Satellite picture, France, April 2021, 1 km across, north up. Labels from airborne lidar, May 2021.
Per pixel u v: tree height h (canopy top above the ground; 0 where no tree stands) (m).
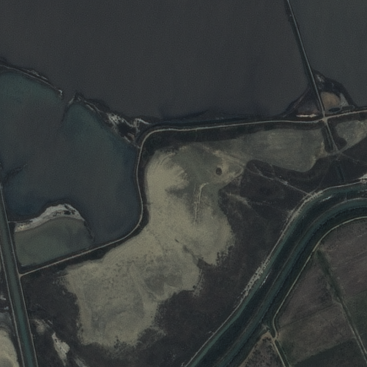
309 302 0
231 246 0
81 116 0
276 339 0
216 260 0
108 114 0
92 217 0
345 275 0
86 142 0
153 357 0
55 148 0
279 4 0
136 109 0
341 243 0
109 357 0
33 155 0
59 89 0
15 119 0
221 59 0
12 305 0
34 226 0
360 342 0
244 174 0
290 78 0
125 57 0
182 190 0
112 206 0
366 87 0
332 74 0
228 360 0
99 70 0
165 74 0
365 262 0
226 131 0
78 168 0
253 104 0
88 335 0
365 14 0
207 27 0
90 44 0
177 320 0
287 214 0
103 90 0
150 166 0
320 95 0
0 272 0
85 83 0
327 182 0
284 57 0
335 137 0
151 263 0
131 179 0
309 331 0
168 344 0
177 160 0
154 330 0
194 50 0
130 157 0
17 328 0
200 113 0
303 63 0
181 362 0
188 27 0
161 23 0
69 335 0
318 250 0
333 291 0
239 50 0
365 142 0
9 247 0
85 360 0
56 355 0
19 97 0
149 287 0
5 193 0
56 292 0
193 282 0
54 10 0
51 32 0
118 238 0
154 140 0
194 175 0
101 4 0
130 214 0
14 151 0
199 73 0
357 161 0
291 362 0
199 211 0
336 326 0
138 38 0
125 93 0
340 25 0
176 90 0
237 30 0
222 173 0
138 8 0
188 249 0
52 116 0
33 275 0
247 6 0
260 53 0
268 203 0
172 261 0
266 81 0
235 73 0
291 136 0
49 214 0
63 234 0
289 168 0
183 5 0
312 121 0
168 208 0
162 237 0
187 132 0
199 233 0
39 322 0
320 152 0
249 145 0
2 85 0
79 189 0
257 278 0
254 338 6
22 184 0
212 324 0
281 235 0
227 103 0
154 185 0
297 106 0
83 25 0
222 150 0
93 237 0
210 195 0
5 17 0
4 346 0
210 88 0
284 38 0
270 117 0
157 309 0
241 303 0
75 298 0
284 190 0
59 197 0
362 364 0
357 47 0
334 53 0
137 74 0
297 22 0
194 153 0
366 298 0
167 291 0
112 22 0
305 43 0
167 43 0
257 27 0
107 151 0
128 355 0
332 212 0
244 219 0
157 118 0
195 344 0
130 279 0
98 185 0
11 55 0
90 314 0
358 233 0
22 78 0
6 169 0
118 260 0
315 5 0
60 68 0
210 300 0
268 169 0
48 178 0
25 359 0
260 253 0
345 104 0
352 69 0
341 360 0
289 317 0
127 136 0
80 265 0
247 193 0
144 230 0
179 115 0
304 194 0
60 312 0
